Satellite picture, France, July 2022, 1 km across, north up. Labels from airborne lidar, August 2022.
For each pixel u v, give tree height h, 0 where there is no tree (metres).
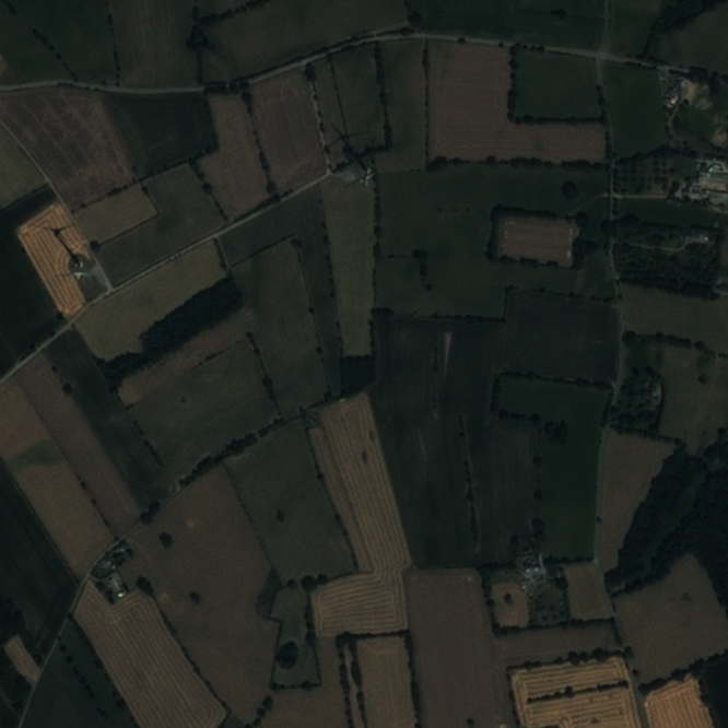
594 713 0
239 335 0
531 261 10
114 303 0
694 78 14
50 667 0
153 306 0
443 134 0
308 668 0
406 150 0
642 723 0
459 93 0
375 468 0
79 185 0
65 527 0
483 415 0
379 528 0
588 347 0
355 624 0
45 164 0
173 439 0
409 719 0
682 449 9
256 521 0
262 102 0
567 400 0
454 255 0
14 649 0
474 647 0
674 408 0
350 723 9
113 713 0
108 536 0
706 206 7
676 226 7
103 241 0
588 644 0
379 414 0
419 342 0
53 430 0
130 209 0
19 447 0
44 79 0
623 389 9
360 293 0
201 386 0
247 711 0
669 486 20
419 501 0
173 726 0
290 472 0
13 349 0
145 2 0
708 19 0
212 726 0
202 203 0
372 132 0
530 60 0
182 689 0
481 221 0
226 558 0
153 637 0
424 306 0
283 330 0
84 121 0
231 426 0
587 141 0
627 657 10
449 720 0
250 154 0
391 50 0
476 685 0
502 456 0
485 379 0
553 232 0
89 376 0
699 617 0
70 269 0
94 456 0
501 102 0
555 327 0
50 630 0
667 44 0
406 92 0
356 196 0
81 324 0
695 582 0
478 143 0
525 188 0
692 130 0
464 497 0
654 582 10
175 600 0
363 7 0
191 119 0
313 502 0
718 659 13
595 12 0
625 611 0
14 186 0
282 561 0
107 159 0
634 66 7
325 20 0
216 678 0
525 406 0
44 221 0
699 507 16
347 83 0
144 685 0
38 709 0
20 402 0
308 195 0
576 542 0
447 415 0
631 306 0
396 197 0
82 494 0
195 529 0
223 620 0
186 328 15
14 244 0
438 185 0
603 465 0
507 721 0
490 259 17
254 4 9
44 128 0
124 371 17
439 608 0
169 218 0
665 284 13
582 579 0
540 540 13
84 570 0
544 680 0
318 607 0
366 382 11
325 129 8
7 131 0
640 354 0
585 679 0
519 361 0
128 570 0
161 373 0
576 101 0
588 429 0
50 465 0
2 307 0
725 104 0
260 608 0
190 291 0
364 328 0
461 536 0
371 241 0
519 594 0
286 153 0
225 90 13
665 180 7
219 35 0
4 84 0
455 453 0
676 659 0
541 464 10
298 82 0
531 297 0
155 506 11
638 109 0
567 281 0
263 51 0
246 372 0
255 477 0
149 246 0
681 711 0
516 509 0
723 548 23
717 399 0
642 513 16
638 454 0
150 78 0
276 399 9
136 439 0
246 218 7
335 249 0
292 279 0
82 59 0
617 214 9
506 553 0
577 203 0
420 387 0
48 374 0
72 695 0
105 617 0
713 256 5
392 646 0
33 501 0
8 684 0
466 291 0
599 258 0
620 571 14
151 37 0
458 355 0
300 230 0
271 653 0
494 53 0
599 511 0
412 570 0
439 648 0
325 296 0
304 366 0
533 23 0
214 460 9
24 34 0
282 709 0
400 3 0
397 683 0
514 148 0
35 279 0
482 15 0
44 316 0
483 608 0
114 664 0
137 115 0
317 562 0
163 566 0
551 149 0
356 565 6
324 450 0
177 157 0
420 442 0
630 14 0
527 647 0
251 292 0
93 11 0
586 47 0
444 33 0
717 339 0
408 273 0
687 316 0
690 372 0
